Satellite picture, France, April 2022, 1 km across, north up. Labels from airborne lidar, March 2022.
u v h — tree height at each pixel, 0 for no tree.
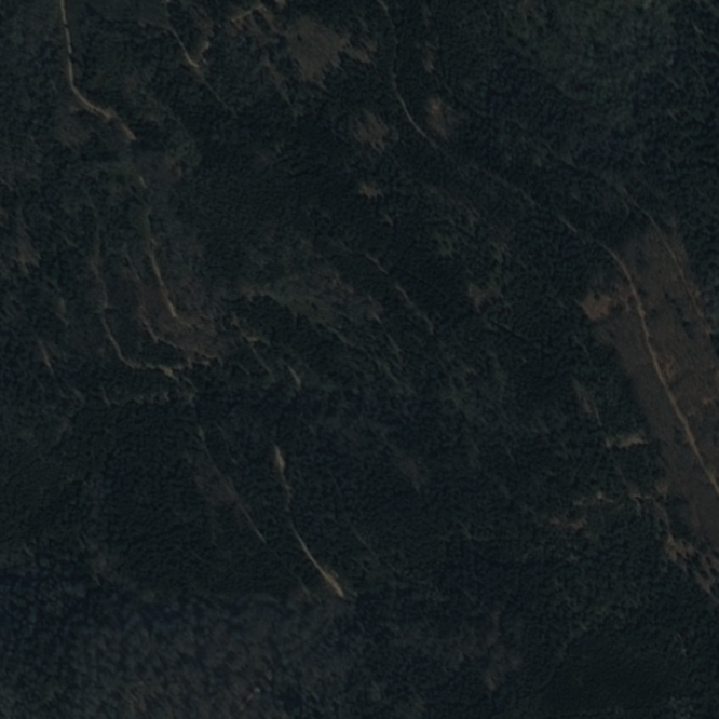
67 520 31
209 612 34
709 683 14
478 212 20
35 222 26
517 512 18
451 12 24
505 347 20
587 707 7
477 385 26
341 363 23
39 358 28
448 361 21
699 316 16
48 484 20
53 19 15
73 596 31
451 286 17
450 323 20
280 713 26
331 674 27
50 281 23
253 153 18
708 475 19
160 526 28
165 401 27
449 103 22
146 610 14
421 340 25
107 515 26
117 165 26
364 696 10
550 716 10
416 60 19
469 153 18
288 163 16
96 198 21
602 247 12
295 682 28
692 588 24
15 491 19
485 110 21
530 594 21
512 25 8
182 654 33
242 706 29
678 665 12
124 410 19
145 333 11
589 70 13
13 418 17
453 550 21
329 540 24
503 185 15
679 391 18
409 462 21
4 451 25
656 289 18
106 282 19
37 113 10
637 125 6
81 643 18
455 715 18
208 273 22
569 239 21
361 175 16
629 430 10
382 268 12
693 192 24
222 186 18
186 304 15
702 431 11
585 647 15
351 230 20
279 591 17
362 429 25
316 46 0
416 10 21
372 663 21
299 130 11
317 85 12
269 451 14
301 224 19
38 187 25
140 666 28
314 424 23
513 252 23
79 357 18
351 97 21
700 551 11
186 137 8
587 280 21
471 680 22
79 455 24
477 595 9
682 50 14
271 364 28
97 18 23
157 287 17
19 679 25
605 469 22
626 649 13
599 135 26
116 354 17
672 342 16
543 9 14
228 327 19
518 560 11
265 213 21
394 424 25
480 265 20
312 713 28
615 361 17
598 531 10
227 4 20
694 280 15
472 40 19
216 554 30
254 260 16
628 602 17
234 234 20
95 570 31
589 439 7
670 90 18
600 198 18
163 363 20
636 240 16
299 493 19
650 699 14
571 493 21
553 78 13
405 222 19
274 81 21
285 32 10
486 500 18
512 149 15
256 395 19
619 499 12
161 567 28
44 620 12
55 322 29
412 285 20
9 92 14
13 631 33
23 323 26
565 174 24
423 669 25
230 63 17
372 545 20
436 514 21
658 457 9
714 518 18
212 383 9
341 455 21
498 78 29
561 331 24
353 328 28
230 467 15
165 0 9
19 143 18
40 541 17
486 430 21
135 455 28
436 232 20
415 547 21
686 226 26
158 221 15
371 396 29
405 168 18
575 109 21
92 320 19
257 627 33
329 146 18
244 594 18
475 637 14
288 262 17
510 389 25
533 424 25
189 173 22
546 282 19
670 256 19
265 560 23
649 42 17
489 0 28
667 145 30
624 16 18
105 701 30
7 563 35
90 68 12
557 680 12
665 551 22
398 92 12
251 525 17
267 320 24
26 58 15
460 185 18
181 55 26
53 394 23
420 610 16
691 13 24
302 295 24
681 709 8
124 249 18
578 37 22
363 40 21
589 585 16
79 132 26
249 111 12
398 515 25
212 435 21
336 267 13
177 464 25
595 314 0
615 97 9
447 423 23
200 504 31
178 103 12
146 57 9
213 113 15
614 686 12
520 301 20
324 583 32
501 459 22
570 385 21
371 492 23
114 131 28
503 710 16
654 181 26
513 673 19
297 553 31
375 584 19
